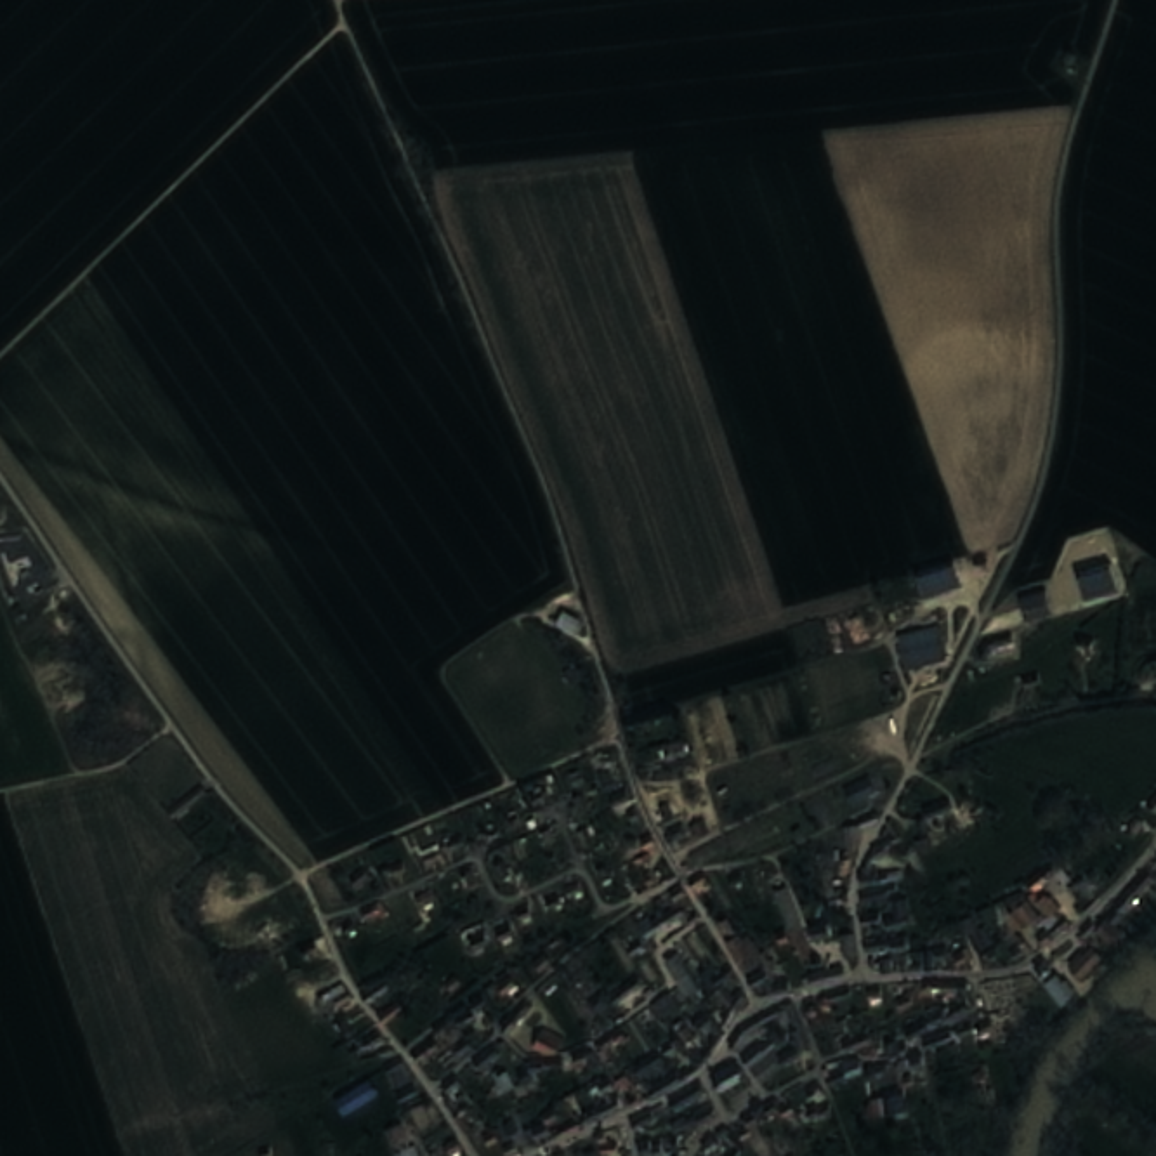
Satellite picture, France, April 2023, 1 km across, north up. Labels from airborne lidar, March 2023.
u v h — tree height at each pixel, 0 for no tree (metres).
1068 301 0
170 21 0
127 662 0
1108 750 0
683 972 0
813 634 0
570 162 0
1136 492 0
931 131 0
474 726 0
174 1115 0
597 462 0
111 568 0
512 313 0
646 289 0
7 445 0
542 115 0
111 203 0
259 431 0
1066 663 0
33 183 0
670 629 0
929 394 0
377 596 0
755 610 0
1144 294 0
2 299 0
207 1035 0
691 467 0
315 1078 0
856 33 0
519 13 0
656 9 0
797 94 0
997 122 0
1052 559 0
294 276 0
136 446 0
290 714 0
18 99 0
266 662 0
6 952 0
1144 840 0
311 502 0
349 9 0
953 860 0
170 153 0
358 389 0
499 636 0
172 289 0
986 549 0
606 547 0
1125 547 0
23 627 0
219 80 0
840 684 0
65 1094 0
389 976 6
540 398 0
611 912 0
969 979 0
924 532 0
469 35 0
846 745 0
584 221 0
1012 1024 0
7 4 0
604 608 0
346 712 0
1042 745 0
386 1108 0
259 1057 0
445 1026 6
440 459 0
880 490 0
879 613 0
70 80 0
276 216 0
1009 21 0
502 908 0
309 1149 0
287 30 0
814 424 0
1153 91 0
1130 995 0
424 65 0
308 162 0
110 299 0
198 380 0
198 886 7
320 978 0
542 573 0
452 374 0
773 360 0
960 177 0
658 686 0
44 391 0
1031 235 0
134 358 0
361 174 0
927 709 0
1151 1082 0
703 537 0
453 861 0
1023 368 0
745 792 0
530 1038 0
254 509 0
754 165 0
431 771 0
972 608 0
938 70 0
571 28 0
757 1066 0
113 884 0
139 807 0
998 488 0
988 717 0
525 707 0
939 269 0
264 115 0
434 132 0
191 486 0
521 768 0
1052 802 14
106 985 0
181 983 0
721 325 0
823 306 0
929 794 0
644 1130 0
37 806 0
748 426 0
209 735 0
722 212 0
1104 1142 0
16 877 0
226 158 0
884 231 0
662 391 0
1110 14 0
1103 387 0
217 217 0
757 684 0
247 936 0
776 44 0
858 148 0
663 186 0
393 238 0
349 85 0
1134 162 0
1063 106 0
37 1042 0
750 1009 0
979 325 0
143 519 0
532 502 0
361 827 0
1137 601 0
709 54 0
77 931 0
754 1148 0
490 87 0
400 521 0
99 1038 0
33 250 0
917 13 0
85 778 0
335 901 0
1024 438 0
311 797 0
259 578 0
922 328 0
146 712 0
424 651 0
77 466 0
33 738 0
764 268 0
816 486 0
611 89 0
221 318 0
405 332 0
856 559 0
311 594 0
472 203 0
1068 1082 13
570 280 0
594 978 5
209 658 0
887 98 0
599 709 7
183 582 0
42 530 0
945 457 0
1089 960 0
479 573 0
